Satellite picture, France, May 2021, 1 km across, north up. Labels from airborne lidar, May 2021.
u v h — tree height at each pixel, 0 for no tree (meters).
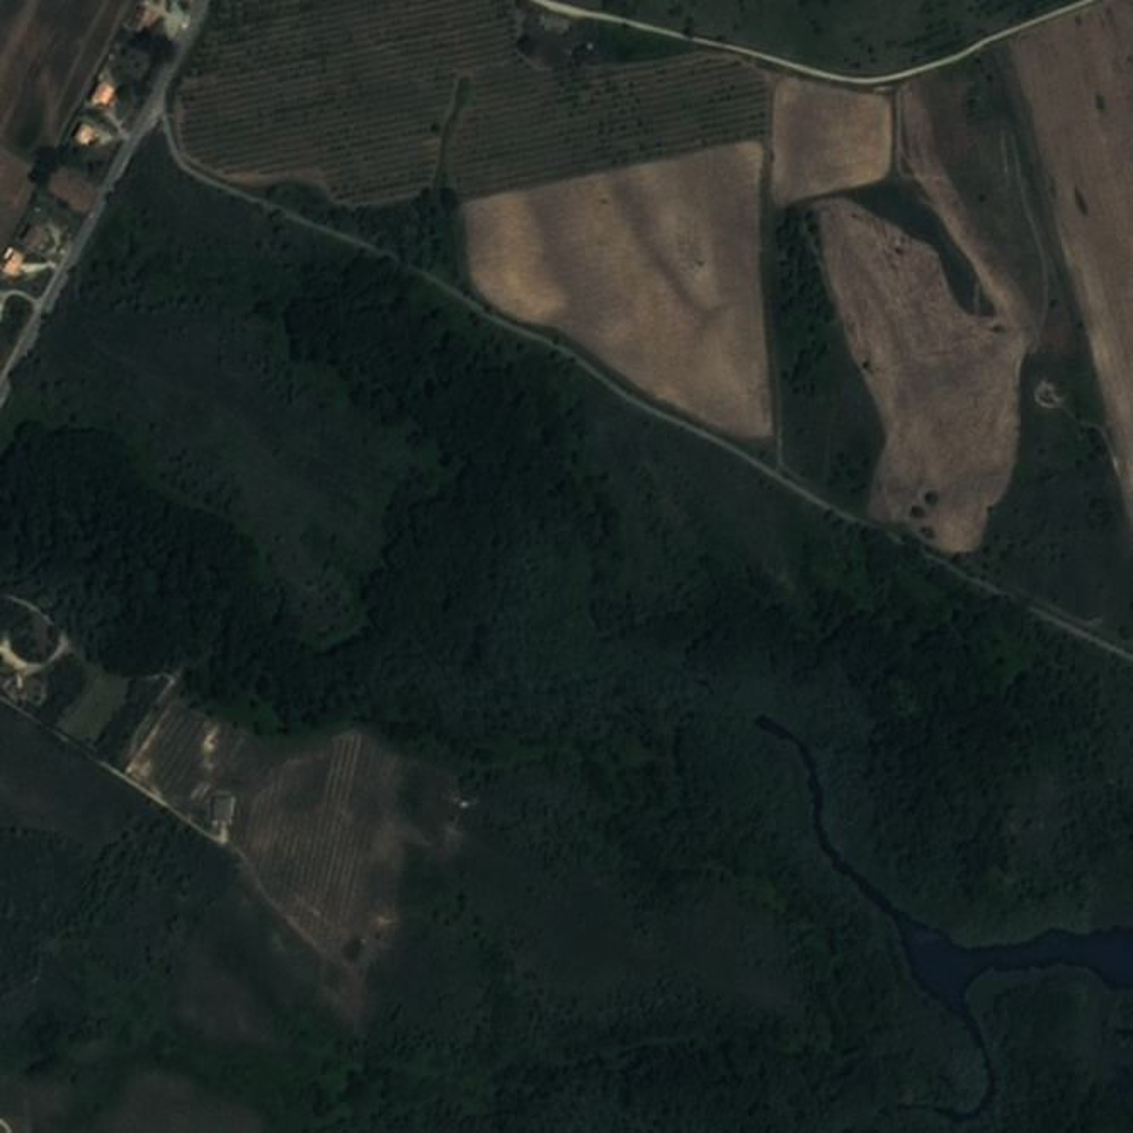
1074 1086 20
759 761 9
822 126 0
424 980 0
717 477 0
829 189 0
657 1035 15
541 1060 6
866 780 8
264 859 0
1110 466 0
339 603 9
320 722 22
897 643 23
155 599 22
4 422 0
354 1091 12
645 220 0
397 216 6
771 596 9
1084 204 0
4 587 11
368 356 24
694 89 0
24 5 0
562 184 0
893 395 0
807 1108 26
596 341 0
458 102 0
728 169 0
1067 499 0
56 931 11
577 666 7
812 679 20
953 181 0
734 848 9
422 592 21
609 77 6
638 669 7
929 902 7
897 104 0
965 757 22
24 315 6
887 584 16
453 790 0
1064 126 0
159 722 0
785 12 0
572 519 20
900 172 0
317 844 0
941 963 0
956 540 0
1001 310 0
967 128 0
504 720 21
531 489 24
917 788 27
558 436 19
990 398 0
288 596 9
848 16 0
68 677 8
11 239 0
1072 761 11
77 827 0
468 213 0
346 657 23
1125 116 0
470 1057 7
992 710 24
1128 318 0
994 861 12
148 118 0
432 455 0
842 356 0
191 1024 0
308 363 6
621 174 0
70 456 25
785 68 0
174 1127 0
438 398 25
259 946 0
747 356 0
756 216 0
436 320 15
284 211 9
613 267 0
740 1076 19
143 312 10
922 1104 11
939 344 0
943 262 0
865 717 10
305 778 0
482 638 26
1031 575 0
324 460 0
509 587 15
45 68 0
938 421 0
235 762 0
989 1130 14
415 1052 9
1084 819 9
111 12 0
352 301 23
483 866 0
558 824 6
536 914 0
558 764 6
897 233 0
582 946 0
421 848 0
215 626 20
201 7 0
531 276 0
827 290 8
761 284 0
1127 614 0
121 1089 0
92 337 0
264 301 7
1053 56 0
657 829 8
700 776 22
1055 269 0
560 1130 15
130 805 0
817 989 11
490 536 23
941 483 0
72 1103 0
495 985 6
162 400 0
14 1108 0
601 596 6
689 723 16
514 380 18
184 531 24
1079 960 0
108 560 22
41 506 24
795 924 15
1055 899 9
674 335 0
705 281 0
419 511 19
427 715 7
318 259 6
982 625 19
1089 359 0
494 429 25
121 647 17
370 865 0
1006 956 0
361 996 0
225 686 14
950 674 23
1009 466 0
